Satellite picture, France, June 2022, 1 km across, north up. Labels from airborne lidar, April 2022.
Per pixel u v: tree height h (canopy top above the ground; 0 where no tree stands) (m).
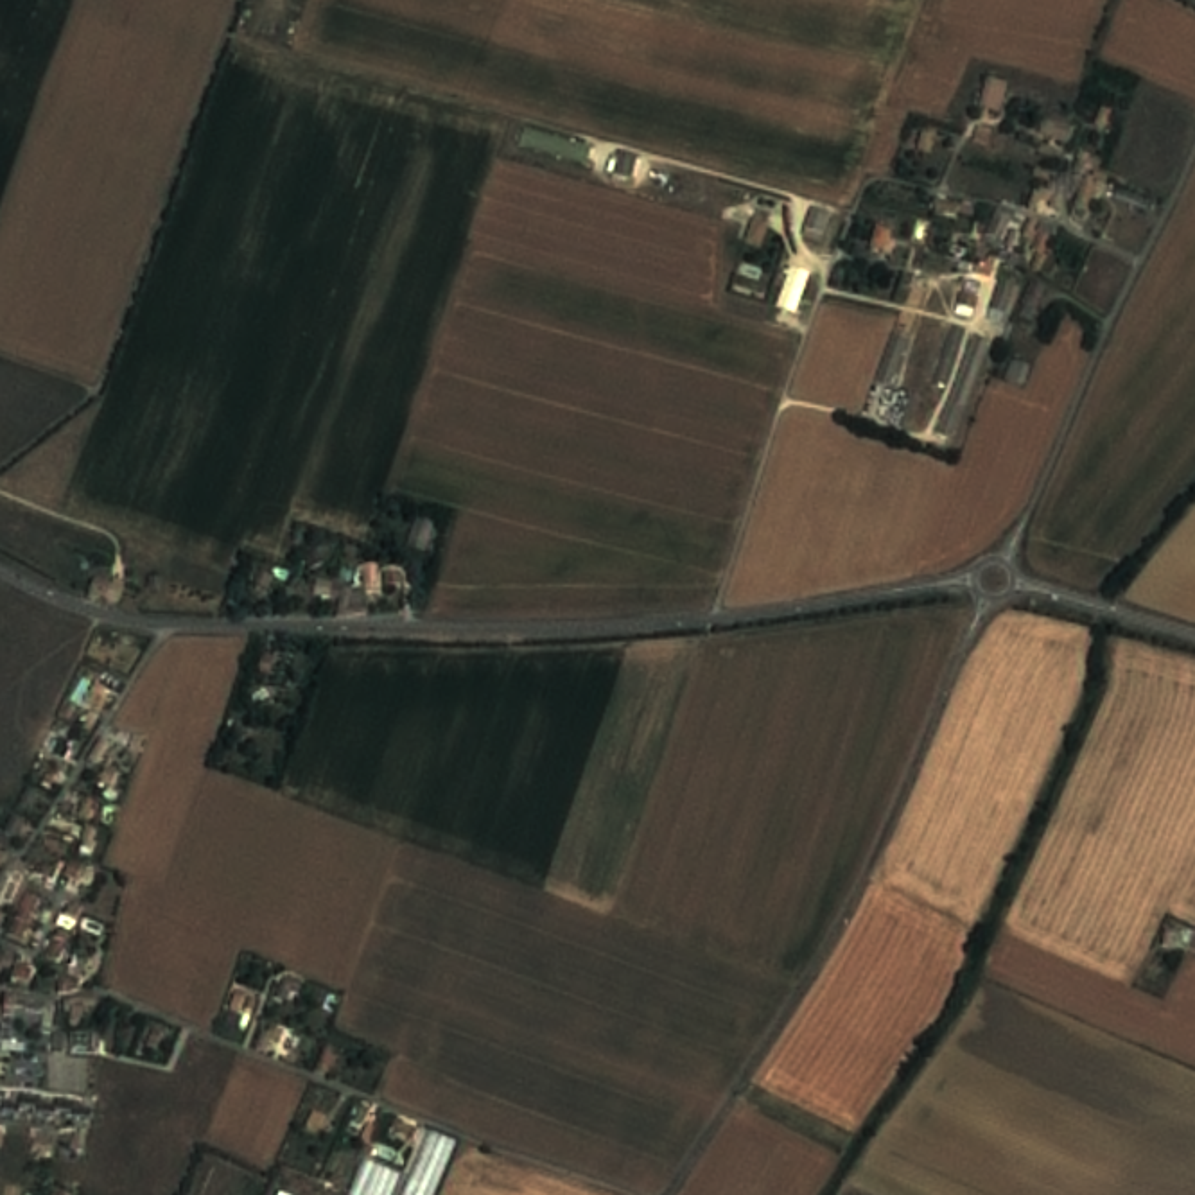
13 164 0
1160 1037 0
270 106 0
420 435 0
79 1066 0
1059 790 0
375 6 0
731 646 0
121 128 0
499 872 0
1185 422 0
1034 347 0
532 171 0
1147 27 0
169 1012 0
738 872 0
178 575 0
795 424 0
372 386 0
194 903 0
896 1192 0
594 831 0
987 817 0
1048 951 0
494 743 0
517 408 0
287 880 0
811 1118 0
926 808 0
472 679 0
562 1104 0
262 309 0
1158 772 0
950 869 0
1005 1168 0
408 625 0
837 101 0
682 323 0
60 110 0
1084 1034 0
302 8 0
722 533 0
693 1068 0
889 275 7
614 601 0
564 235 0
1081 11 0
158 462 0
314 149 0
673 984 0
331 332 0
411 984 0
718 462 0
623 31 0
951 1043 0
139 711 0
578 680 0
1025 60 0
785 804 0
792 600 0
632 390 0
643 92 0
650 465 0
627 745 0
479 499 0
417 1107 0
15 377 0
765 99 0
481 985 0
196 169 0
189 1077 0
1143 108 0
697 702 0
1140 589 0
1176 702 0
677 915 0
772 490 0
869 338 0
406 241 0
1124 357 0
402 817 0
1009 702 0
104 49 0
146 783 0
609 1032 0
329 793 0
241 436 0
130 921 0
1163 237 0
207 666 0
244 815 0
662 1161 0
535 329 0
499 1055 0
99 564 6
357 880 0
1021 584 0
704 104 0
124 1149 0
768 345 0
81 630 0
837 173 0
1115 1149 0
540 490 0
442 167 0
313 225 0
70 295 0
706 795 0
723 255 0
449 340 0
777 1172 0
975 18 0
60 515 0
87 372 0
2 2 0
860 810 0
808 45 0
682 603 0
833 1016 0
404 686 0
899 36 0
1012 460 0
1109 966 0
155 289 0
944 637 0
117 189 0
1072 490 0
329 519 0
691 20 0
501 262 0
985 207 11
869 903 0
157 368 0
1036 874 0
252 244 0
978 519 0
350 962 0
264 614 9
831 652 0
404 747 0
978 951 20
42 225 0
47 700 0
